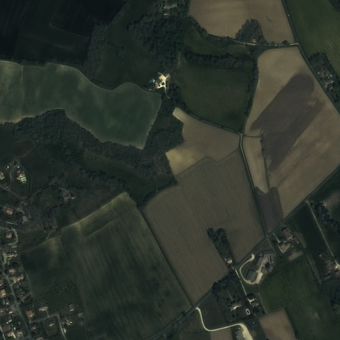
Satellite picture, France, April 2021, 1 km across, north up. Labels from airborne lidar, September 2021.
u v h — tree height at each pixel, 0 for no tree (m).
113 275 0
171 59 6
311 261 0
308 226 0
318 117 0
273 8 0
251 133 0
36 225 14
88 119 0
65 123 18
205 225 0
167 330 0
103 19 0
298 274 0
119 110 0
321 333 0
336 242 0
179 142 22
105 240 0
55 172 10
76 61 0
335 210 0
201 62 18
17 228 17
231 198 0
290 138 0
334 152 0
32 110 0
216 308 0
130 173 0
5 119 0
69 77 0
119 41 0
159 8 14
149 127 0
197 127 0
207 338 0
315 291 0
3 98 0
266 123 0
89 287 0
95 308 0
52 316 0
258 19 0
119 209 0
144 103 0
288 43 13
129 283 0
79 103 0
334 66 0
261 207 0
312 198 0
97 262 0
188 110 14
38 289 0
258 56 14
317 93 0
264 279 0
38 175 0
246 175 0
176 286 0
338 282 15
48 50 0
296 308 0
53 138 21
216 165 0
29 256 0
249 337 0
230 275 8
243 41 20
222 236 16
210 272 0
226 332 0
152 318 0
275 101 0
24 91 0
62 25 0
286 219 0
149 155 17
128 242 0
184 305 0
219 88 0
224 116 0
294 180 0
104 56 0
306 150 0
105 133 0
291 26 0
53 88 0
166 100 12
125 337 0
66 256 0
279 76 0
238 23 0
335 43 0
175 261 0
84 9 0
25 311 7
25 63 15
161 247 0
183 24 15
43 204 14
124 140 0
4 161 0
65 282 0
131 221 0
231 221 0
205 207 0
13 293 0
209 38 15
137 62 0
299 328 0
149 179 7
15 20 0
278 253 0
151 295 0
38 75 0
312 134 0
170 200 0
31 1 0
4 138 0
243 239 0
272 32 0
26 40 0
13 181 0
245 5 0
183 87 0
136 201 12
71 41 0
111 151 18
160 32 29
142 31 22
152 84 11
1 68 0
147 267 0
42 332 8
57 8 0
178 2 8
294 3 0
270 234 0
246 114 6
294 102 0
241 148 0
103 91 0
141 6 0
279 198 0
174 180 7
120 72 0
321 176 0
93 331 0
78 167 28
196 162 0
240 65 0
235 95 0
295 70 0
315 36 0
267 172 0
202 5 0
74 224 0
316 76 0
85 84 0
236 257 0
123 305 0
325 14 0
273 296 0
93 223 0
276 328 0
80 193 21
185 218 0
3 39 0
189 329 0
